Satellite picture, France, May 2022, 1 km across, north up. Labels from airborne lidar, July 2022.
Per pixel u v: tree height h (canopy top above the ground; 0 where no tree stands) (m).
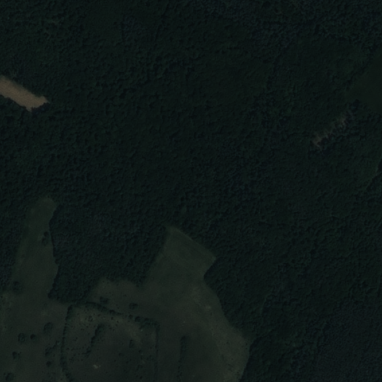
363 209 21
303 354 16
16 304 0
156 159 26
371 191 23
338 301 16
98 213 24
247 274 23
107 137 27
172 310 0
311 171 21
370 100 0
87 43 20
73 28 16
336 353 18
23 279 0
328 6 27
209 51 26
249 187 23
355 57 20
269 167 24
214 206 21
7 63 22
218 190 25
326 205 23
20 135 24
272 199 27
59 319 0
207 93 28
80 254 18
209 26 29
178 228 16
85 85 26
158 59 15
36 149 22
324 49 31
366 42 15
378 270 17
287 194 26
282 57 22
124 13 16
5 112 27
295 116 23
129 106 22
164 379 0
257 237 23
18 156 23
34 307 0
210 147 24
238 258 9
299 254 20
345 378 21
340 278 21
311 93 20
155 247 16
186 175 24
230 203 26
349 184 25
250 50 18
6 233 18
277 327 22
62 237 20
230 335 0
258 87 28
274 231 23
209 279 18
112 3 13
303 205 23
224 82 29
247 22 33
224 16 23
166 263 0
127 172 17
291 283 24
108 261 23
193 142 24
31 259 0
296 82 23
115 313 15
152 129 27
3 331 0
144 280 13
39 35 20
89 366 0
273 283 22
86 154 22
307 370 18
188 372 0
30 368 0
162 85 25
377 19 28
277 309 26
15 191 13
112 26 16
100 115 27
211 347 0
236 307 23
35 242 0
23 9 16
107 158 24
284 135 26
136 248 27
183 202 11
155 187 24
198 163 22
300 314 25
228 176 23
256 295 25
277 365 25
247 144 25
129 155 22
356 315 21
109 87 24
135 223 22
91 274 17
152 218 20
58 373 0
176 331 0
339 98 32
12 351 0
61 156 29
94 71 21
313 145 21
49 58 17
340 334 22
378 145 19
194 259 0
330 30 23
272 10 16
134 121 29
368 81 0
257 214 22
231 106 24
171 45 25
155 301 0
